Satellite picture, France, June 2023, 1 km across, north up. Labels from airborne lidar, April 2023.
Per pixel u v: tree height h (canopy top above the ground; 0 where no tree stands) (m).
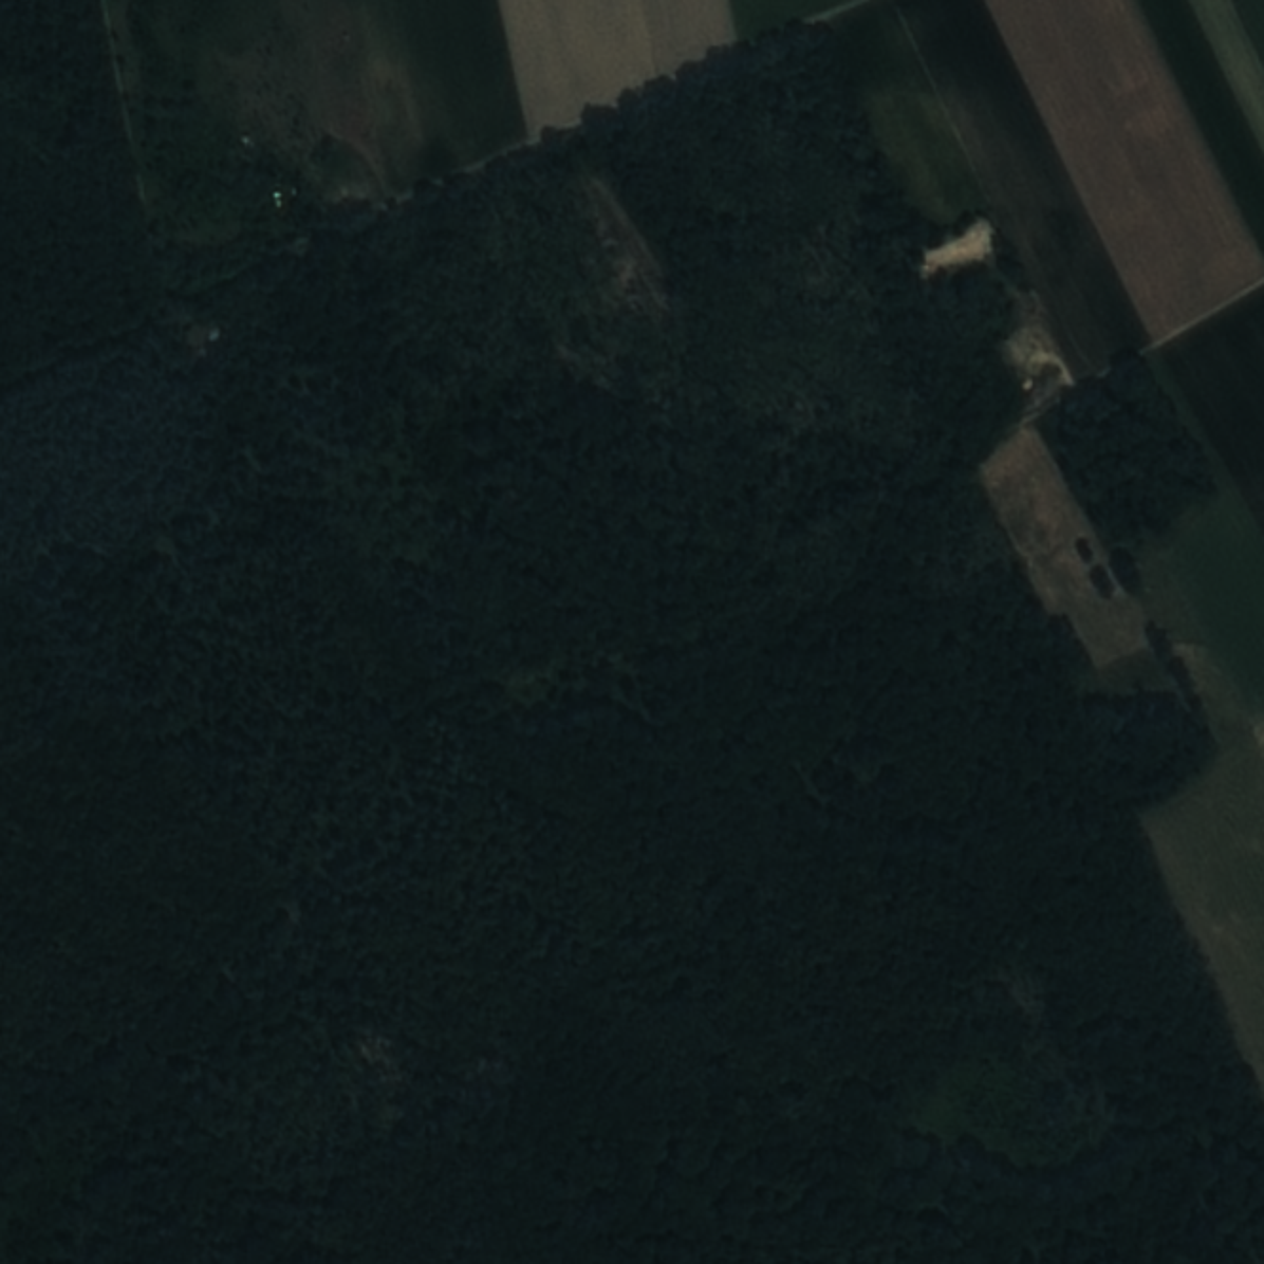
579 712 22
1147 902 21
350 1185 22
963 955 24
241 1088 23
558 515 20
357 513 23
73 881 19
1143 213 0
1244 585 0
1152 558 0
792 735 21
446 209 18
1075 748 25
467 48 0
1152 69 0
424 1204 22
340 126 0
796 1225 19
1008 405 11
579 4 0
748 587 22
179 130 8
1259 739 0
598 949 19
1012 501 0
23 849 20
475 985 18
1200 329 0
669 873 20
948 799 23
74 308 24
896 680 21
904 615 25
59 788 20
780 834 22
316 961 6
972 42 0
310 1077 21
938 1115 0
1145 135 0
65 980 20
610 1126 22
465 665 18
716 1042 19
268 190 11
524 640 20
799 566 23
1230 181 0
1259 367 0
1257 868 0
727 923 22
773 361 22
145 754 22
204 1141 18
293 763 18
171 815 18
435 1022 19
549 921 18
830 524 22
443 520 21
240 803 24
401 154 0
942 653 22
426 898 23
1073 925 21
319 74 0
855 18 0
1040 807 23
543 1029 23
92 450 25
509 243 23
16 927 21
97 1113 15
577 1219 27
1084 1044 23
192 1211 24
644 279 20
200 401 19
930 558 21
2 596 14
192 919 20
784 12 0
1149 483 26
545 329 19
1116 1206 27
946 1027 23
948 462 22
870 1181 19
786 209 21
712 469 21
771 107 21
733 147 22
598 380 18
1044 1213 23
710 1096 20
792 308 23
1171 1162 27
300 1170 18
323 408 18
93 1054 25
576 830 21
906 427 21
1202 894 0
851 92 17
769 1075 23
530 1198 25
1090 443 21
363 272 22
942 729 24
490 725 20
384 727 19
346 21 0
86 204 23
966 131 0
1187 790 0
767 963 23
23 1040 24
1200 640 0
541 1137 23
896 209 19
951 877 25
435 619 20
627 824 20
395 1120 0
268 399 19
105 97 20
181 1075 13
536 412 6
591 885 21
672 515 21
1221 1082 21
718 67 21
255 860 18
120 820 20
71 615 16
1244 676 0
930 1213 7
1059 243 0
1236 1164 27
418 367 23
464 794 24
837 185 22
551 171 22
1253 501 0
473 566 21
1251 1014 0
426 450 9
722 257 19
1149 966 20
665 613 21
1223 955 0
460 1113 17
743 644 21
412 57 0
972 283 18
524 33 0
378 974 19
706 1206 20
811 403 24
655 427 22
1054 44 0
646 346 20
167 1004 23
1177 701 21
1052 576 0
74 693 18
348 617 23
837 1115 24
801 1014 23
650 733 22
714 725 21
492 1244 25
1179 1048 23
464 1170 21
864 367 23
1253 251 0
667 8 0
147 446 23
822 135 23
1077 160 0
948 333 25
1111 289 0
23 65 22
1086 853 20
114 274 22
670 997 20
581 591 18
